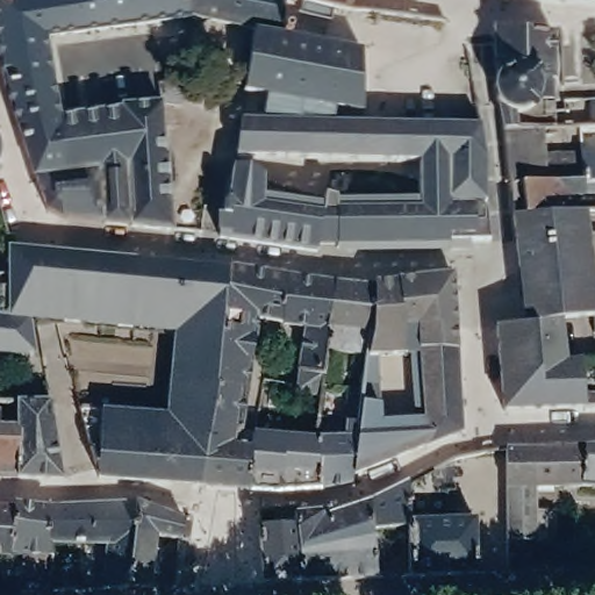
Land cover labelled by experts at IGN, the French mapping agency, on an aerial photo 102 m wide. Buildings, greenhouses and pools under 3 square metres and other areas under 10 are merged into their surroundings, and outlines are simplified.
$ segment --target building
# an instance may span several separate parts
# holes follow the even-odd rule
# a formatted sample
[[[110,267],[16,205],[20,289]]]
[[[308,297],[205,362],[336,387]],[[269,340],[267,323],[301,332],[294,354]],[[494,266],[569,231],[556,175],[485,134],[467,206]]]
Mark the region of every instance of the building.
[[[49,397],[49,390],[44,395],[16,395],[16,418],[0,421],[0,476],[40,481],[42,474],[63,474],[53,400]]]
[[[33,560],[46,560],[56,555],[56,546],[60,544],[79,546],[84,553],[93,553],[93,546],[102,544],[119,555],[132,555],[130,569],[139,569],[142,565],[156,560],[160,539],[167,537],[191,542],[191,518],[188,511],[179,511],[174,500],[170,504],[160,504],[142,500],[137,504],[135,500],[126,502],[123,497],[77,497],[65,500],[65,507],[33,504],[33,500],[28,500],[26,509],[16,509],[14,502],[9,504],[9,514],[16,516],[14,523],[0,525],[0,555],[26,555]]]
[[[553,86],[553,74],[555,53],[562,46],[562,33],[549,26],[549,21],[544,21],[542,26],[525,21],[525,51],[493,35],[493,74],[507,132],[509,188],[511,198],[516,200],[518,177],[525,177],[528,205],[525,209],[518,209],[511,216],[523,281],[523,302],[525,307],[532,307],[537,311],[535,318],[518,318],[518,323],[509,330],[500,358],[500,381],[504,383],[511,404],[542,407],[553,402],[595,402],[595,353],[581,358],[579,353],[572,353],[565,325],[574,318],[595,318],[595,218],[590,216],[590,207],[542,207],[539,202],[549,195],[595,193],[595,98],[567,98],[565,109],[558,109],[560,91],[555,91]],[[551,142],[546,139],[546,132],[551,132],[551,123],[583,123],[579,135],[583,149],[581,158],[574,160],[572,151],[549,151]]]
[[[574,439],[509,442],[504,453],[507,530],[530,535],[539,525],[544,525],[546,514],[539,507],[539,500],[549,493],[595,488],[595,437],[588,444],[576,444]]]
[[[246,244],[256,249],[267,249],[270,256],[295,251],[304,256],[356,256],[358,251],[367,249],[439,249],[442,253],[446,253],[451,249],[449,239],[453,235],[474,235],[474,244],[488,244],[493,239],[490,235],[486,235],[490,230],[490,214],[479,200],[472,200],[479,188],[488,186],[488,144],[481,116],[342,116],[337,107],[365,107],[367,95],[372,93],[365,88],[365,49],[363,44],[358,44],[353,30],[349,30],[344,37],[337,37],[330,28],[325,35],[300,26],[295,26],[295,30],[288,30],[286,0],[0,0],[0,95],[7,102],[9,121],[28,177],[35,184],[37,195],[42,198],[46,209],[53,209],[58,214],[170,223],[174,214],[170,184],[174,181],[167,172],[172,172],[174,156],[165,146],[158,146],[158,139],[165,137],[165,109],[160,93],[144,98],[123,98],[119,102],[100,102],[91,107],[63,107],[63,84],[56,81],[53,74],[49,37],[63,30],[135,23],[146,19],[160,19],[160,23],[165,23],[172,19],[195,16],[202,19],[202,23],[207,19],[225,19],[230,26],[242,26],[249,19],[253,19],[258,28],[253,33],[253,53],[246,91],[267,93],[267,107],[263,112],[249,112],[242,119],[242,135],[237,146],[239,153],[232,163],[225,207],[221,209],[218,242],[223,242],[228,249]],[[267,188],[267,167],[272,163],[302,165],[304,160],[416,160],[418,191],[339,193],[337,188],[328,188],[323,198],[272,191]]]
[[[435,553],[446,553],[451,558],[481,558],[481,532],[476,528],[479,518],[469,511],[469,507],[453,514],[416,514],[411,504],[421,493],[404,488],[409,483],[409,476],[400,476],[397,481],[374,493],[346,502],[300,504],[298,518],[265,521],[260,537],[256,539],[256,546],[263,551],[265,562],[274,565],[279,579],[286,579],[288,558],[304,553],[304,567],[314,555],[321,555],[330,560],[339,576],[356,574],[358,581],[370,579],[379,574],[379,542],[383,532],[395,530],[400,525],[409,530],[411,558],[416,560],[421,546],[432,549]]]
[[[137,256],[137,249],[105,249],[21,239],[14,239],[12,246],[7,246],[7,260],[0,258],[0,284],[12,277],[14,281],[9,288],[19,293],[19,300],[12,307],[14,316],[0,314],[0,349],[26,356],[30,346],[35,349],[35,353],[42,351],[40,325],[58,323],[63,318],[112,325],[121,325],[121,321],[128,321],[130,325],[153,325],[160,332],[172,332],[170,383],[165,407],[102,402],[95,407],[81,404],[81,414],[74,416],[79,439],[91,458],[93,469],[100,474],[142,474],[177,481],[228,483],[237,486],[237,493],[323,490],[330,486],[351,483],[358,476],[377,479],[381,474],[393,472],[400,465],[409,465],[437,451],[432,439],[460,430],[465,418],[460,383],[458,277],[456,270],[446,263],[442,267],[423,267],[414,272],[395,272],[393,277],[379,277],[377,284],[367,284],[365,277],[339,277],[337,288],[323,288],[314,284],[311,274],[307,274],[304,281],[300,281],[298,274],[284,274],[281,267],[274,265],[260,265],[253,260],[228,263],[207,256],[188,256],[174,251],[172,244],[158,251],[156,258],[144,258]],[[318,395],[321,400],[323,393],[323,374],[328,370],[323,365],[328,346],[344,353],[365,356],[360,383],[363,414],[346,418],[344,430],[318,435],[307,430],[256,428],[253,439],[246,439],[239,432],[246,425],[246,416],[251,409],[251,370],[253,360],[258,360],[258,353],[256,342],[249,342],[249,335],[260,330],[263,321],[279,323],[281,328],[284,332],[293,330],[293,363],[300,367],[298,386],[309,388],[309,393]],[[379,388],[379,358],[383,351],[395,349],[402,349],[402,353],[411,360],[414,404],[423,407],[423,414],[388,416],[383,411],[386,390]]]

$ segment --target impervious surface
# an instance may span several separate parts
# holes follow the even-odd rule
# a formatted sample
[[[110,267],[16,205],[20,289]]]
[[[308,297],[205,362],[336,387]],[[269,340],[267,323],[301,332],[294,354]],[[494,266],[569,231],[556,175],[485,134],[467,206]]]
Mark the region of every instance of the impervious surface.
[[[595,318],[574,318],[565,325],[572,353],[579,353],[581,358],[595,353]]]
[[[249,335],[249,342],[256,342],[258,353],[263,339],[267,335],[279,332],[281,328],[279,323],[263,321],[260,330]]]
[[[346,390],[342,397],[335,390],[323,393],[321,400],[316,414],[288,416],[281,411],[272,411],[274,400],[270,395],[274,390],[293,390],[298,386],[300,367],[293,363],[293,367],[286,374],[267,374],[258,360],[253,360],[251,370],[251,409],[246,416],[246,425],[239,432],[246,439],[253,439],[256,428],[307,430],[318,435],[344,430],[346,418],[363,414],[360,383],[351,383],[346,379]]]
[[[0,284],[0,314],[14,316],[12,307],[19,300],[19,293],[9,288],[14,281],[12,277]]]
[[[16,395],[0,400],[0,421],[16,418]]]
[[[386,390],[383,411],[388,416],[423,414],[423,407],[414,404],[411,360],[402,353],[402,349],[395,349],[383,351],[379,358],[379,388]]]
[[[267,188],[272,191],[323,198],[328,188],[337,188],[339,193],[418,191],[416,160],[304,160],[302,165],[272,163],[267,167]]]
[[[130,325],[128,321],[121,321],[121,325],[112,325],[63,318],[58,323],[40,325],[42,351],[35,353],[35,349],[30,346],[26,356],[35,372],[44,374],[49,390],[49,397],[53,400],[63,474],[42,474],[40,481],[0,476],[0,525],[14,523],[16,516],[9,514],[9,504],[14,502],[16,509],[26,509],[28,500],[33,500],[33,504],[65,507],[65,500],[77,497],[123,497],[126,502],[135,500],[137,504],[142,500],[160,504],[170,504],[174,500],[179,511],[188,511],[191,518],[191,542],[167,537],[160,539],[156,560],[142,565],[139,569],[130,569],[132,555],[119,555],[102,544],[93,546],[93,553],[84,553],[79,546],[60,544],[56,546],[56,555],[46,560],[33,560],[26,555],[0,555],[0,595],[518,595],[525,590],[551,593],[558,588],[590,590],[595,586],[595,488],[549,493],[539,500],[539,507],[546,514],[544,525],[539,525],[530,535],[507,530],[504,453],[509,442],[574,439],[576,444],[588,444],[595,437],[595,402],[553,402],[542,407],[511,404],[504,383],[500,381],[500,358],[509,330],[518,323],[518,318],[535,318],[537,311],[532,307],[525,307],[523,302],[523,281],[511,216],[518,209],[525,209],[528,205],[525,177],[518,177],[516,200],[511,198],[509,188],[507,132],[493,74],[493,35],[525,51],[525,21],[542,26],[544,21],[549,21],[549,26],[562,33],[562,46],[555,53],[553,74],[553,86],[555,91],[560,91],[558,109],[565,109],[567,98],[595,98],[595,0],[286,0],[288,30],[295,30],[295,26],[300,26],[325,35],[330,28],[337,37],[344,37],[349,30],[353,30],[358,44],[363,44],[365,49],[365,88],[372,93],[367,95],[365,107],[337,107],[342,116],[481,116],[488,144],[488,186],[479,188],[472,200],[479,200],[490,214],[490,230],[486,235],[490,235],[493,239],[488,244],[474,244],[474,235],[453,235],[449,239],[451,249],[446,253],[442,253],[439,249],[367,249],[358,251],[356,256],[304,256],[295,251],[270,256],[267,249],[256,249],[246,244],[228,249],[223,242],[218,242],[221,209],[225,207],[232,163],[239,153],[237,146],[242,135],[242,119],[249,112],[263,112],[267,107],[267,93],[246,91],[253,53],[253,33],[258,28],[253,19],[249,19],[242,26],[230,26],[225,19],[207,19],[202,23],[202,19],[195,16],[172,19],[165,23],[160,23],[160,19],[146,19],[135,23],[63,30],[49,37],[53,74],[56,81],[63,84],[63,107],[91,107],[100,102],[119,102],[123,98],[144,98],[160,93],[165,109],[165,137],[158,139],[158,146],[165,146],[174,156],[172,172],[167,172],[174,181],[170,184],[174,214],[170,223],[58,214],[53,209],[46,209],[42,198],[37,195],[35,184],[28,177],[9,121],[7,102],[0,95],[0,216],[7,223],[19,223],[26,230],[21,239],[105,249],[137,249],[137,256],[144,258],[156,258],[158,251],[172,244],[174,251],[188,256],[207,256],[228,263],[253,260],[260,265],[274,265],[281,267],[284,274],[298,274],[300,281],[304,281],[307,274],[311,274],[314,284],[323,288],[337,288],[339,277],[365,277],[367,284],[377,284],[379,277],[393,277],[395,272],[414,272],[423,267],[442,267],[446,263],[456,270],[458,277],[460,383],[465,418],[460,430],[432,439],[437,451],[409,465],[400,465],[393,472],[381,474],[377,479],[358,476],[351,483],[330,486],[323,490],[237,493],[237,486],[228,483],[177,481],[142,474],[100,474],[93,469],[91,458],[79,439],[74,416],[81,414],[81,404],[95,407],[102,402],[165,407],[170,383],[172,332],[160,332],[153,325]],[[191,102],[179,93],[179,88],[165,81],[167,72],[163,65],[167,65],[167,58],[195,44],[212,46],[218,51],[230,49],[232,60],[244,65],[244,77],[232,102],[221,109],[209,109],[202,102]],[[123,337],[144,337],[144,344],[128,346],[109,342],[79,342],[72,332],[98,330],[116,332]],[[481,532],[481,558],[451,558],[446,553],[435,553],[432,549],[421,546],[416,560],[411,558],[409,530],[400,525],[395,530],[383,532],[379,542],[379,574],[370,579],[358,581],[356,574],[339,576],[330,560],[321,555],[314,555],[304,567],[304,553],[288,558],[286,579],[279,579],[274,565],[265,562],[263,551],[256,546],[256,539],[260,537],[265,521],[298,518],[300,504],[346,502],[374,493],[397,481],[400,476],[409,476],[409,483],[404,488],[421,493],[411,504],[416,514],[453,514],[469,507],[469,511],[479,518],[476,528]]]
[[[590,207],[590,216],[595,218],[595,193],[549,195],[539,202],[542,207]]]
[[[551,142],[549,151],[572,151],[574,160],[581,158],[583,149],[579,135],[583,123],[551,123],[551,132],[546,132],[546,139]]]

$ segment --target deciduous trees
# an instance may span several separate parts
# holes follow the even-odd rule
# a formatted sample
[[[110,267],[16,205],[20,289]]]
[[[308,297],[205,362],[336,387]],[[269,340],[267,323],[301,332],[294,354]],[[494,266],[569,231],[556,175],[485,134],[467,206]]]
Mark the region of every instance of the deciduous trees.
[[[26,230],[19,223],[7,223],[0,216],[0,258],[7,260],[7,246],[12,246],[14,239],[21,239]]]
[[[12,388],[28,383],[35,372],[26,356],[0,349],[0,386]]]
[[[595,595],[595,586],[590,590],[558,588],[551,593],[525,590],[518,595]]]
[[[263,339],[258,353],[258,360],[267,374],[286,374],[293,367],[293,363],[293,330],[284,332],[281,328],[279,332],[267,335]]]
[[[274,400],[272,411],[281,411],[288,416],[316,414],[321,400],[318,395],[309,393],[309,388],[298,386],[293,390],[274,390],[270,395]]]
[[[244,65],[232,60],[230,49],[218,51],[212,46],[195,44],[167,58],[167,65],[163,65],[167,72],[165,81],[179,88],[179,93],[191,102],[202,102],[209,109],[221,109],[232,102],[244,77]]]

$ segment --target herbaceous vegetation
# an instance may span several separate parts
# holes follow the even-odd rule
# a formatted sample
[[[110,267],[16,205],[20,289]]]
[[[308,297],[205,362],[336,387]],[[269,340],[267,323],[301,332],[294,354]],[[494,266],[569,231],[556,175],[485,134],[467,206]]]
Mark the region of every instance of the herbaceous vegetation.
[[[323,374],[323,393],[335,390],[342,397],[346,390],[346,379],[351,383],[360,383],[365,356],[344,353],[328,346],[323,365],[328,370]]]
[[[49,390],[44,374],[35,372],[28,383],[12,388],[0,386],[0,400],[16,395],[44,395]]]

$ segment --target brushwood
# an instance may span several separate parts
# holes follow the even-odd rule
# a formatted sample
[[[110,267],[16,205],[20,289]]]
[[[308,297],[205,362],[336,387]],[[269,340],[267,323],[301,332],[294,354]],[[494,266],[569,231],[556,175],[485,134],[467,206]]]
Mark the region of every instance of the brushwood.
[[[128,346],[144,344],[144,337],[123,337],[116,332],[98,330],[72,332],[79,342],[109,342]]]

